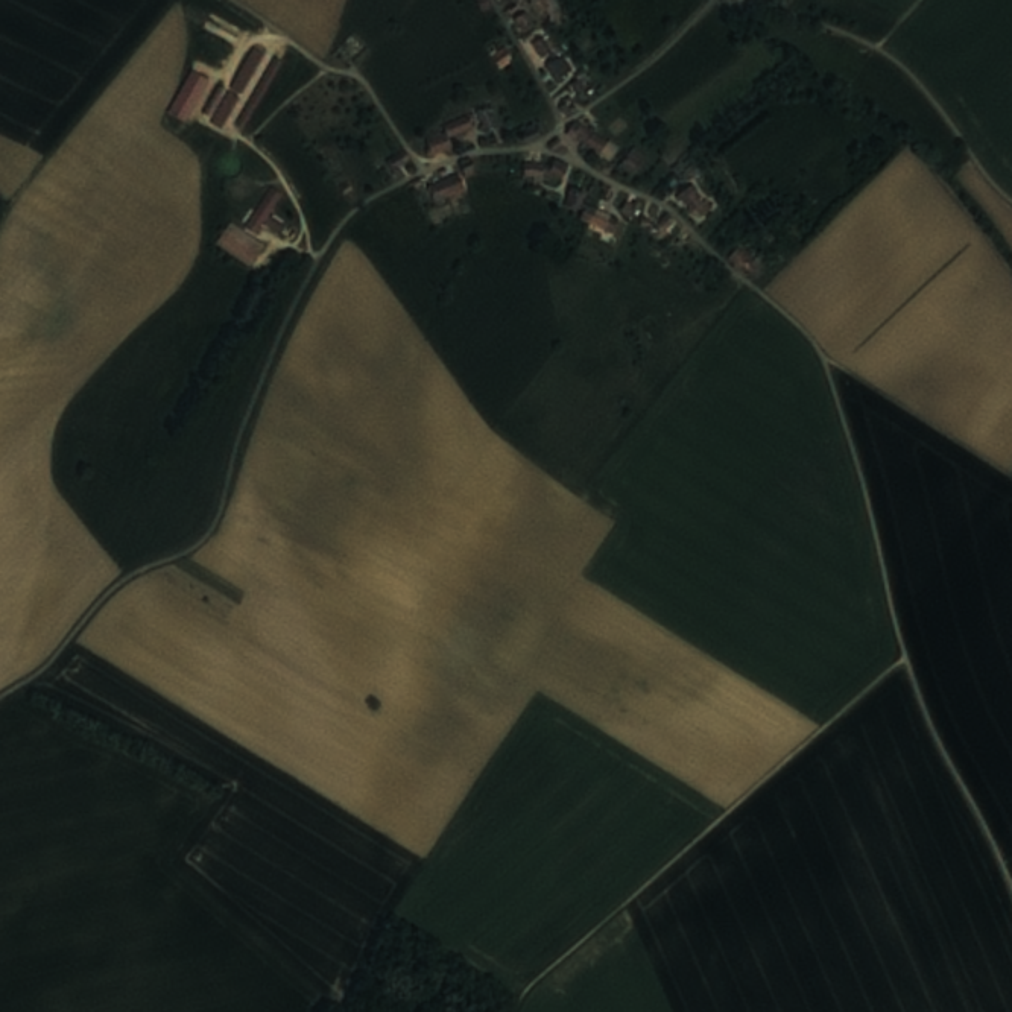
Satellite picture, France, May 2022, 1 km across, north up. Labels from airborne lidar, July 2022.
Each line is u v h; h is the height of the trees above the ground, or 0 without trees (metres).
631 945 0
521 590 0
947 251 0
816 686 0
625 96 0
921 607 0
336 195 0
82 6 0
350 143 11
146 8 0
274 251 0
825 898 0
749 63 0
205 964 0
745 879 0
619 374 0
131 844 0
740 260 0
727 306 0
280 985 0
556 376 0
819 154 0
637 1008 0
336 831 0
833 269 0
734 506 0
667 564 0
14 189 0
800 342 0
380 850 0
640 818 0
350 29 0
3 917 0
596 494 0
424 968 29
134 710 0
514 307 0
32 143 0
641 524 0
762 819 0
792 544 0
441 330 0
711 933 0
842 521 0
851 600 0
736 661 0
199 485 0
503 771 0
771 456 0
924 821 0
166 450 0
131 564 0
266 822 0
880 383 0
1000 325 0
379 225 0
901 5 0
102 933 0
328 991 0
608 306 0
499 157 7
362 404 0
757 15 20
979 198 0
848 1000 0
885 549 0
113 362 0
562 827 0
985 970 0
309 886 0
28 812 0
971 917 0
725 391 0
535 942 0
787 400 0
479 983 29
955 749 0
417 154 0
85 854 0
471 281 0
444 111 0
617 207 0
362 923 0
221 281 0
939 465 0
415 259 0
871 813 0
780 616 0
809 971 0
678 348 0
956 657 0
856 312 0
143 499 0
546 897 0
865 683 0
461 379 0
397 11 0
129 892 0
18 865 0
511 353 0
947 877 0
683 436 0
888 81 0
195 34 0
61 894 0
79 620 0
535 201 0
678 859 0
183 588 0
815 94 13
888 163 6
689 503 0
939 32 0
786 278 0
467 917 0
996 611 0
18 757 0
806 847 0
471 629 0
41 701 18
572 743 0
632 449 0
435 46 0
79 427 0
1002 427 0
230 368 21
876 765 0
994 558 0
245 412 0
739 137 12
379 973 23
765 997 0
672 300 0
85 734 17
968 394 0
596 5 11
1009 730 0
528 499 0
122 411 0
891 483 0
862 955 0
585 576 0
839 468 0
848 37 0
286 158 0
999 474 0
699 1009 0
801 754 0
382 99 0
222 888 0
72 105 0
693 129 0
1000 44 0
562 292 0
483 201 0
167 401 0
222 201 0
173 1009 0
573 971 0
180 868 0
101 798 0
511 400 0
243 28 0
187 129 0
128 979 0
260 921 0
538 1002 0
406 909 0
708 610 0
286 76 0
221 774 0
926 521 0
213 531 0
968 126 0
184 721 0
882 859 0
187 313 0
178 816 0
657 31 0
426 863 0
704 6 0
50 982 0
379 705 11
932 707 0
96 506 0
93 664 0
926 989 0
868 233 0
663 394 0
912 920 0
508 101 0
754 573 0
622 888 0
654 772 0
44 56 0
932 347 0
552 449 0
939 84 0
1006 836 0
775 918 0
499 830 0
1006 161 0
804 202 7
